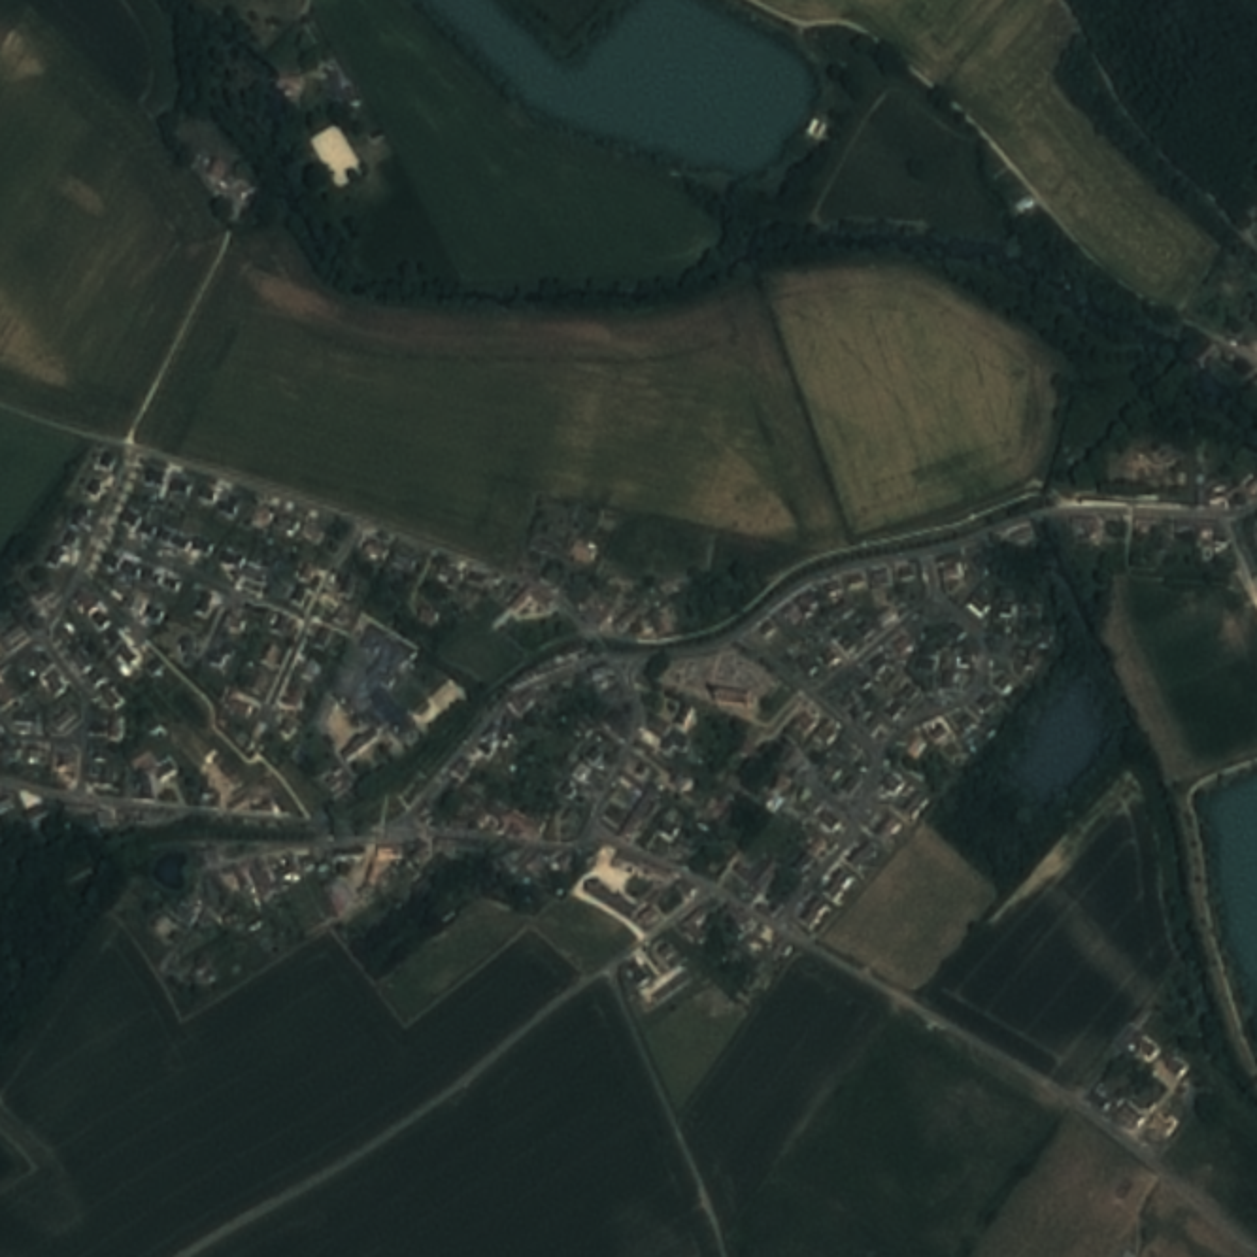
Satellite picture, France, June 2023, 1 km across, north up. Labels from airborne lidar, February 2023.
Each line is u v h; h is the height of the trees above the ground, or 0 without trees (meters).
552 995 0
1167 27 20
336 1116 0
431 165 0
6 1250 0
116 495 0
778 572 0
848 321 0
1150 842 0
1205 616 0
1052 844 7
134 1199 0
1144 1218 0
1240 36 21
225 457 0
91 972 0
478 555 0
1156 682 0
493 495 0
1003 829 8
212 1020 0
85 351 0
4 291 0
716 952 6
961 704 0
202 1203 0
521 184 0
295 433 0
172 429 0
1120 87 10
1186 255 0
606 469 0
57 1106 0
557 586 0
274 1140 0
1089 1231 0
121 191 0
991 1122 0
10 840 14
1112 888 0
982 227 0
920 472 0
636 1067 0
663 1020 0
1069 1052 0
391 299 9
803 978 0
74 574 0
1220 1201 0
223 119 22
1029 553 8
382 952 7
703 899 0
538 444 0
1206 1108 18
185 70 16
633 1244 0
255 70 7
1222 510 0
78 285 0
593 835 0
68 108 0
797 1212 0
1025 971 0
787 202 19
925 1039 0
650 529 0
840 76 9
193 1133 0
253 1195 0
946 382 0
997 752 14
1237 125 21
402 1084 0
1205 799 13
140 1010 0
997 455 0
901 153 0
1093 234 0
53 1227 0
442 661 9
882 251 10
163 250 0
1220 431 10
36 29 0
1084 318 15
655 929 0
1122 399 0
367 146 0
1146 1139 0
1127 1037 0
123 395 0
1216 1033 14
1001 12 0
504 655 0
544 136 0
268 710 0
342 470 0
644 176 0
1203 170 21
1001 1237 0
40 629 16
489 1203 0
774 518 0
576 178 0
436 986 0
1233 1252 0
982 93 0
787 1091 0
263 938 0
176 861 0
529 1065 0
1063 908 0
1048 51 0
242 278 0
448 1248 0
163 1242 0
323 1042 0
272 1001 0
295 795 0
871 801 0
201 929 12
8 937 16
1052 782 0
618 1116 0
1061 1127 0
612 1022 0
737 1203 0
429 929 7
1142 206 0
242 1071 0
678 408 0
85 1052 0
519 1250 0
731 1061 0
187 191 0
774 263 13
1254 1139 0
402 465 0
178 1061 0
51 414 0
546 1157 0
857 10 0
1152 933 0
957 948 0
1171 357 15
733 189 0
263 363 0
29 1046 0
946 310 0
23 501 0
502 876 11
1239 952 0
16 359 0
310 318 0
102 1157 0
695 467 0
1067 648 8
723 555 0
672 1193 0
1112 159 0
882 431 0
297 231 14
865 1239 0
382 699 0
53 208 0
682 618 0
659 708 8
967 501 0
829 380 0
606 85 0
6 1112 0
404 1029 0
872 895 0
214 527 0
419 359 0
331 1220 0
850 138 0
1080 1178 0
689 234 0
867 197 0
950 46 0
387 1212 0
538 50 0
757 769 13
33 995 12
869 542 0
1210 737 0
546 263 0
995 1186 0
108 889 19
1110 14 21
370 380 0
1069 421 8
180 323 0
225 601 0
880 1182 0
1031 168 0
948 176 0
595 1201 0
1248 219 13
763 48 0
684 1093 0
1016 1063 0
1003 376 0
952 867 0
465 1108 0
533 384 0
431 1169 0
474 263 0
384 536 8
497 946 0
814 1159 0
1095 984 0
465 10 0
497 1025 0
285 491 0
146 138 0
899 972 0
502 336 0
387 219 0
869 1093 0
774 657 0
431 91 0
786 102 0
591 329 0
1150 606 0
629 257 0
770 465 0
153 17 0
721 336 0
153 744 0
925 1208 0
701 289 12
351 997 0
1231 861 0
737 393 0
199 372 0
